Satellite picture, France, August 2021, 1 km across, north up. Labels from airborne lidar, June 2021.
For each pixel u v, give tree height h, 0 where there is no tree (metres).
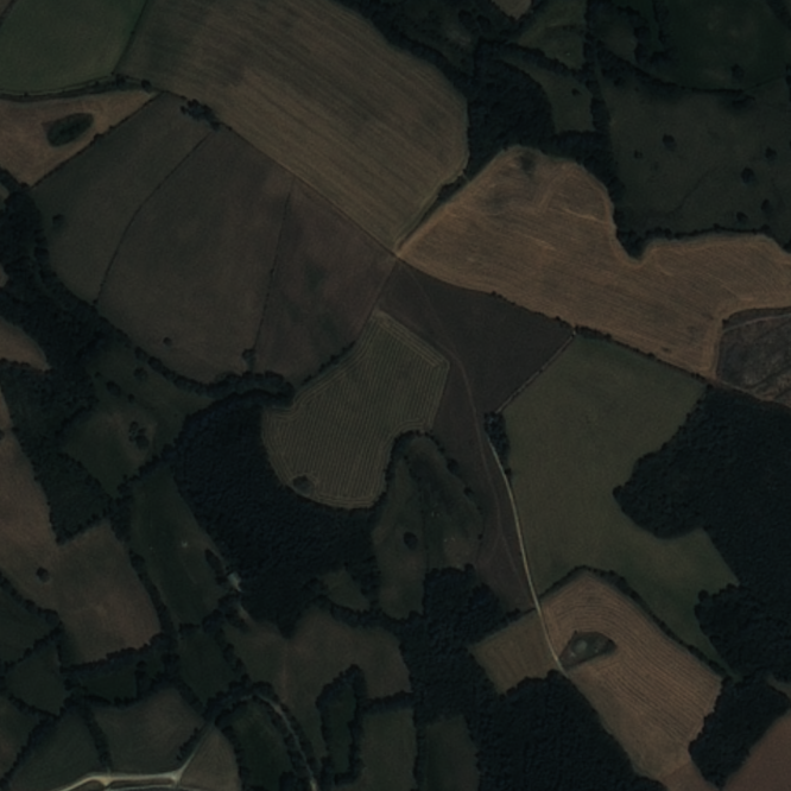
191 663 0
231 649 16
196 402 0
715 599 9
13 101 0
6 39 0
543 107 21
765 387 0
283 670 0
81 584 0
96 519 13
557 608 0
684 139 0
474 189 0
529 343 0
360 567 11
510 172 0
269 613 21
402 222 0
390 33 19
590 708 11
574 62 0
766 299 0
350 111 0
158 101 0
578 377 0
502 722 15
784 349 0
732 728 19
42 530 0
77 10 0
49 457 8
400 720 0
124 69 0
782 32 0
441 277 0
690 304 0
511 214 0
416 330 0
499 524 0
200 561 0
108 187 0
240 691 15
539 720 25
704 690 0
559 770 28
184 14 0
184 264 0
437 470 0
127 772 0
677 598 0
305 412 0
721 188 0
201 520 19
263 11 0
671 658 0
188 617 0
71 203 0
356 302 0
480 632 25
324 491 0
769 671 12
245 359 8
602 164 18
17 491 0
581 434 0
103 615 0
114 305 0
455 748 0
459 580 18
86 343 8
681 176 0
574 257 0
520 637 0
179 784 0
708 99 0
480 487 0
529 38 0
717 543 10
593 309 0
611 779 24
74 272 0
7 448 0
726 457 9
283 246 0
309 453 0
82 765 0
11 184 16
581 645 0
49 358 11
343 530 13
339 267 0
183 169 0
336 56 0
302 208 0
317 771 14
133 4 0
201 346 0
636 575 0
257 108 0
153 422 0
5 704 0
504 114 20
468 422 0
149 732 0
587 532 0
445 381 0
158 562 0
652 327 0
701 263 0
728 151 0
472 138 13
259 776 0
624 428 0
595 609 0
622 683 0
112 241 0
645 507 8
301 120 0
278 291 0
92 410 12
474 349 0
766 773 0
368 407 0
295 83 0
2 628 0
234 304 0
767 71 0
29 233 15
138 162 0
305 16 0
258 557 21
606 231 0
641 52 15
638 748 0
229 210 0
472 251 0
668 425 0
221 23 0
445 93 0
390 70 0
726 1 0
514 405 0
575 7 0
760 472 6
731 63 0
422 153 0
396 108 0
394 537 0
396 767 0
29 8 0
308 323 0
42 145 0
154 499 0
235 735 18
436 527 0
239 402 19
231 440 23
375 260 0
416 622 15
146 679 18
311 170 0
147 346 0
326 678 0
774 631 13
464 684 16
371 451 0
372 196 0
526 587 0
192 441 22
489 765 10
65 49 0
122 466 0
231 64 0
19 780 0
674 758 0
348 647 0
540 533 0
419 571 0
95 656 0
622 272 0
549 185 0
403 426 0
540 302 0
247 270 0
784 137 0
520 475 0
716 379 0
